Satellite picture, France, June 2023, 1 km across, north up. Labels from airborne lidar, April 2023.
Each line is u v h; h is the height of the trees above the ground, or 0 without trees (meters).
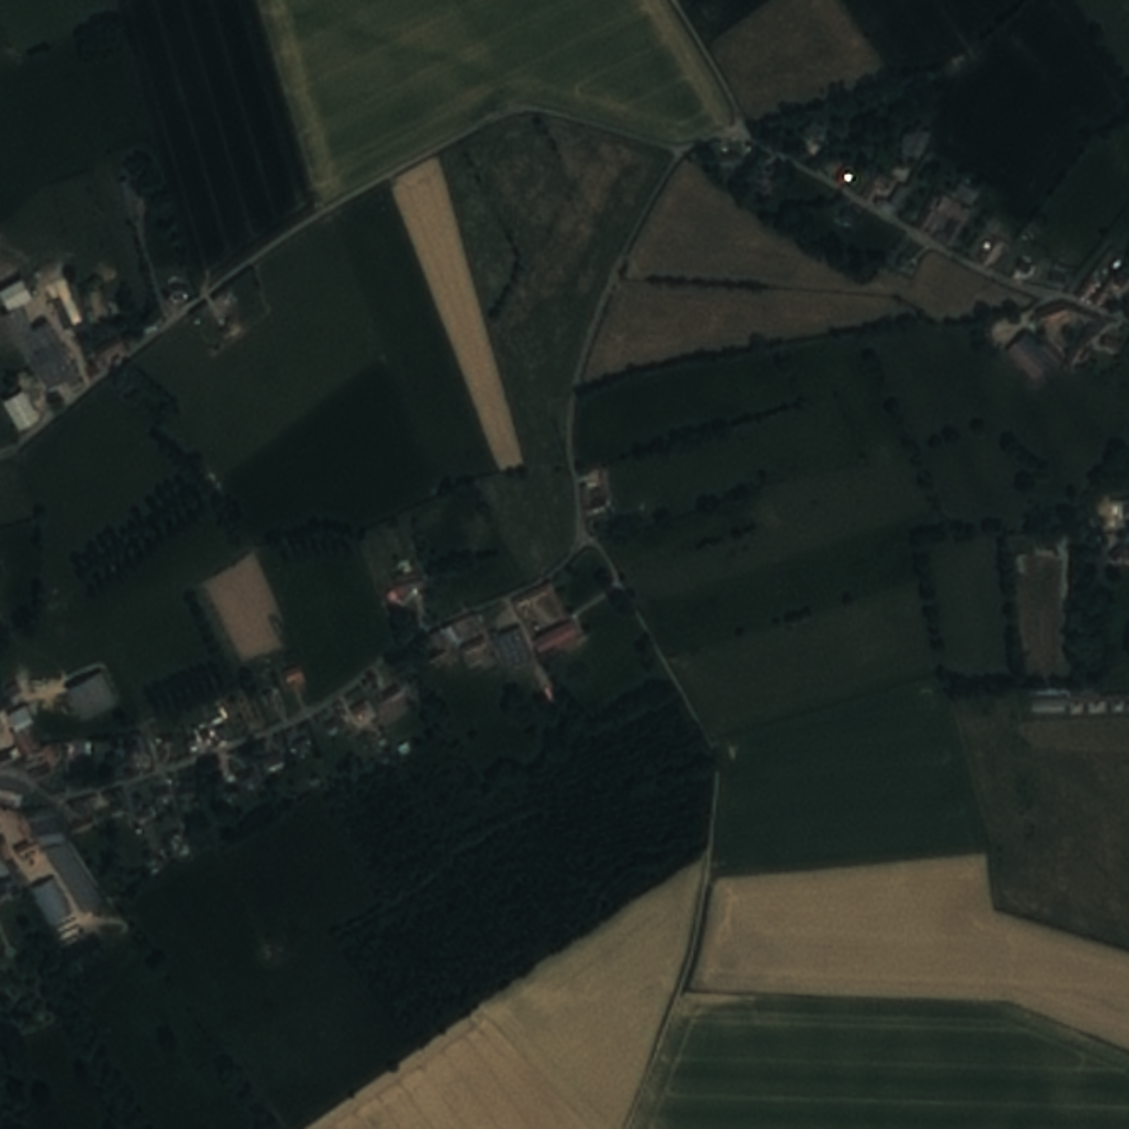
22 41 0
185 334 0
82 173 0
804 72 0
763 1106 0
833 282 0
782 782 0
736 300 0
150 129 0
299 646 0
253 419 0
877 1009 0
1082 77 0
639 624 0
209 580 0
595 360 0
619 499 0
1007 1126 0
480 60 0
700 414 0
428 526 0
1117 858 0
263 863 0
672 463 0
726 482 0
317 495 0
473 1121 0
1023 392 0
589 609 0
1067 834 0
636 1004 0
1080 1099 0
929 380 0
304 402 0
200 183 0
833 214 0
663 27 0
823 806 0
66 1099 0
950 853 0
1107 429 0
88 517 0
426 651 11
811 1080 0
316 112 0
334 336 0
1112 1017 0
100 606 0
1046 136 0
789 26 0
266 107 0
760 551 0
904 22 0
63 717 0
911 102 26
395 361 0
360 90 0
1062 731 0
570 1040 0
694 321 0
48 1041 0
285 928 0
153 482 0
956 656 0
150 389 6
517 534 0
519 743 0
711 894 0
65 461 0
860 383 0
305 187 0
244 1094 19
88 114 0
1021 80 0
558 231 0
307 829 0
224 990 0
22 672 0
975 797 0
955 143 0
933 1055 0
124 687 0
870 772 0
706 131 0
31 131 0
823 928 0
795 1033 0
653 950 0
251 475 0
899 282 0
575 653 0
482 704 0
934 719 0
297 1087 0
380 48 0
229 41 0
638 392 0
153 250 0
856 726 0
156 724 0
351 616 0
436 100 0
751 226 0
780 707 0
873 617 0
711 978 0
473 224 0
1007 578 12
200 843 19
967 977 0
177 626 0
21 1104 26
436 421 0
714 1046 0
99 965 0
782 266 0
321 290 0
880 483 0
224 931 0
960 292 0
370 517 0
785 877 0
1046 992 0
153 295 14
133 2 0
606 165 0
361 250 0
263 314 0
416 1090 0
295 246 0
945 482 0
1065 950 0
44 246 0
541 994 0
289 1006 0
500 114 0
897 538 0
